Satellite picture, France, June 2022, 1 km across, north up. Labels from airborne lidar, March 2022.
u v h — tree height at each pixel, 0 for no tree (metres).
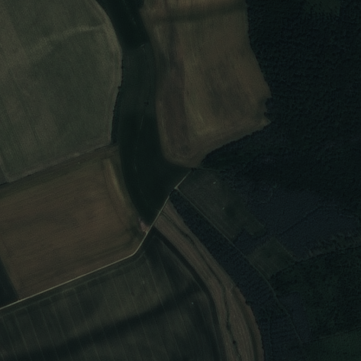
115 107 6
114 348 0
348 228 16
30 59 0
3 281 0
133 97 0
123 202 0
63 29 0
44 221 0
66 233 0
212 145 0
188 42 0
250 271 14
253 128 0
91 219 0
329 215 11
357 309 8
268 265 0
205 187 0
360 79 20
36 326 0
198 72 0
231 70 0
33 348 0
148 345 0
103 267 0
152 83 0
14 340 0
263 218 11
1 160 0
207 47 0
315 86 18
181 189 0
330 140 17
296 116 14
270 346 15
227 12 0
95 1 0
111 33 0
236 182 17
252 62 0
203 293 0
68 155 0
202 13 0
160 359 0
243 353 0
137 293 0
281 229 13
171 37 0
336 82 17
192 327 0
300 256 15
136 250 0
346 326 9
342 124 11
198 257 0
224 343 0
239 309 0
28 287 0
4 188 0
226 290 0
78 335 0
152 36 0
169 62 0
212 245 16
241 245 12
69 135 0
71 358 0
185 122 0
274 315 13
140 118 0
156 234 0
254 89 0
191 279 0
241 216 0
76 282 0
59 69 0
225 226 0
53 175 0
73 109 0
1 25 0
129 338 0
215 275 0
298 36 23
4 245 0
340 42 25
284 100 20
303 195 14
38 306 0
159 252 0
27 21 0
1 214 0
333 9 0
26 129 0
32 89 0
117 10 0
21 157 0
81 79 0
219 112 0
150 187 0
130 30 0
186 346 0
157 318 0
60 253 0
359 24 19
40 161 0
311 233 14
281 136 14
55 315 0
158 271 0
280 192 14
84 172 0
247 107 0
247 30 0
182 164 0
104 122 0
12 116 0
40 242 0
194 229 15
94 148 0
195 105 0
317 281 9
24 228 0
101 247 0
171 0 0
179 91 0
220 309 0
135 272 0
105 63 0
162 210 0
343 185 19
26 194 0
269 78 19
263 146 12
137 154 0
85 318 0
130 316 0
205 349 0
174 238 0
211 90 0
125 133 0
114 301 0
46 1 0
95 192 0
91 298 0
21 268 0
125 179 0
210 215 0
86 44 0
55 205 0
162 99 0
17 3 0
